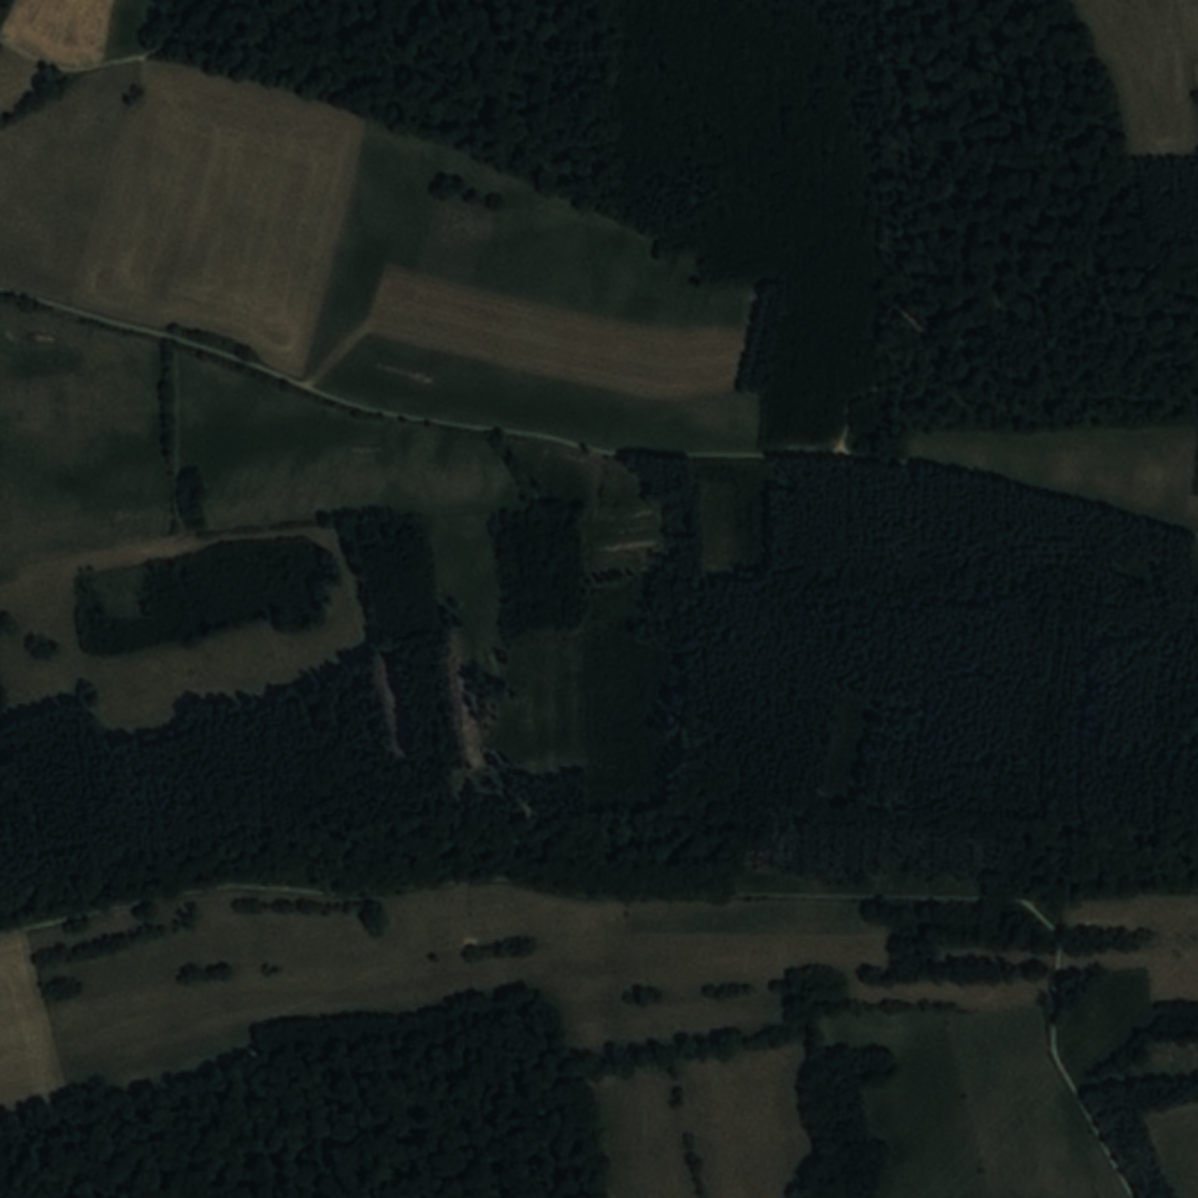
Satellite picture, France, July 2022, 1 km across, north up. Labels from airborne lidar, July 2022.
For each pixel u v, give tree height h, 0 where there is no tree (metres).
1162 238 16
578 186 22
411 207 0
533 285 0
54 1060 0
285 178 0
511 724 0
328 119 0
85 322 6
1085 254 30
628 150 9
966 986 17
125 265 0
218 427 0
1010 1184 0
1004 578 29
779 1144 0
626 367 0
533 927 0
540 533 10
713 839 24
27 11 0
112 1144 28
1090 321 24
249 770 21
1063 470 0
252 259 0
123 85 0
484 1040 29
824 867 24
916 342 23
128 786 31
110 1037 0
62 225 0
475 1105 24
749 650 29
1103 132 28
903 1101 0
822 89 16
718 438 0
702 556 16
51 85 21
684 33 11
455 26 31
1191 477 0
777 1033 16
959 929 8
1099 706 34
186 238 0
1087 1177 0
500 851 23
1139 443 0
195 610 6
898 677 24
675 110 12
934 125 31
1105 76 20
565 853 25
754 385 16
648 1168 0
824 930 0
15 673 0
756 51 10
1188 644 21
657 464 26
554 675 0
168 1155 27
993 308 24
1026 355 22
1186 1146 0
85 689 16
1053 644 25
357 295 0
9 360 0
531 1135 35
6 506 0
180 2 13
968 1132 0
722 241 9
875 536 25
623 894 27
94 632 6
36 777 25
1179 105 0
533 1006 20
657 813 20
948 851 26
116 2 0
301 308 0
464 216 0
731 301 0
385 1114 31
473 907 0
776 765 28
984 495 28
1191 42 0
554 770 0
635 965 0
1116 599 19
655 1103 0
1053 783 21
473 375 0
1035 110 31
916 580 19
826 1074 24
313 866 23
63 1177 30
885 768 21
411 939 0
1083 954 13
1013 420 11
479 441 0
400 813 17
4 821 25
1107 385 21
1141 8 0
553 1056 26
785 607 23
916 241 28
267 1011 0
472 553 0
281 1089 31
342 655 0
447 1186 30
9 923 20
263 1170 29
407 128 18
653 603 20
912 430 28
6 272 0
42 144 0
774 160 12
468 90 28
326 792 26
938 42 32
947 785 31
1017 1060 0
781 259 9
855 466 24
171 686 0
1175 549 27
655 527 0
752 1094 0
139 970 0
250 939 0
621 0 29
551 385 0
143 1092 22
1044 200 28
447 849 23
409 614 8
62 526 0
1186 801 34
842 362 12
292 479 0
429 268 0
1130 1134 22
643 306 0
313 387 0
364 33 27
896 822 17
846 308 11
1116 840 28
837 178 11
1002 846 24
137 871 27
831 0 11
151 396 0
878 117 20
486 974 0
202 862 27
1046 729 18
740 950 0
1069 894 22
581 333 0
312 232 0
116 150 0
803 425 8
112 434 0
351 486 0
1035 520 29
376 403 0
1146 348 16
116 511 0
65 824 25
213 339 7
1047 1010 14
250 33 30
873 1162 21
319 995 0
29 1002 0
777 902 0
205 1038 0
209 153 0
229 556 6
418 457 0
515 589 6
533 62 30
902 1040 0
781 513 25
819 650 25
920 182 21
